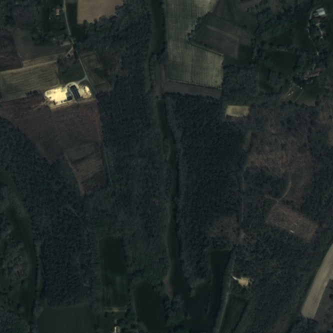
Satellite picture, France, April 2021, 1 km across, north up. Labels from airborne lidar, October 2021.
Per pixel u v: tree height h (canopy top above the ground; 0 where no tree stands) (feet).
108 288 0
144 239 57
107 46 60
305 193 43
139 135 59
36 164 62
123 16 68
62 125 0
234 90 60
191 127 50
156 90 52
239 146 85
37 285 43
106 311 0
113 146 61
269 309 55
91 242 68
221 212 69
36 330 38
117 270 0
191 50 0
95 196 61
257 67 43
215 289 0
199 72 0
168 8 0
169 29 0
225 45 0
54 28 0
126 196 74
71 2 0
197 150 65
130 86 46
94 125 0
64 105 0
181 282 0
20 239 0
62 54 0
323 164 76
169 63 61
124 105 62
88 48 51
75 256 53
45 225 21
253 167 0
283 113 71
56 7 25
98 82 0
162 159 61
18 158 50
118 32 77
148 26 48
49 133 0
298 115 53
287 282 35
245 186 42
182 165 58
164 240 74
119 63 42
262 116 72
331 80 0
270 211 38
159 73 0
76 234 70
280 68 0
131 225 65
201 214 64
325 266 0
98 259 65
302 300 46
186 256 72
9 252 65
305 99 0
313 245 53
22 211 65
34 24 37
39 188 56
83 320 0
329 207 57
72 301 68
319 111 57
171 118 65
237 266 31
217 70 0
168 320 58
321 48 39
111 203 57
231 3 0
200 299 0
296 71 38
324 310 0
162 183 53
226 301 44
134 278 60
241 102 65
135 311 53
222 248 31
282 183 76
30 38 0
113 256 0
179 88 0
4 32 42
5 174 0
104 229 88
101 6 0
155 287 53
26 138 62
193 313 0
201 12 0
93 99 0
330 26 0
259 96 58
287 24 60
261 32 39
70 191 54
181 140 48
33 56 0
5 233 62
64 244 62
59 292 79
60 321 0
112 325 0
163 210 65
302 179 0
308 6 0
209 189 75
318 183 53
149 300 0
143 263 66
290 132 66
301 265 54
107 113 75
